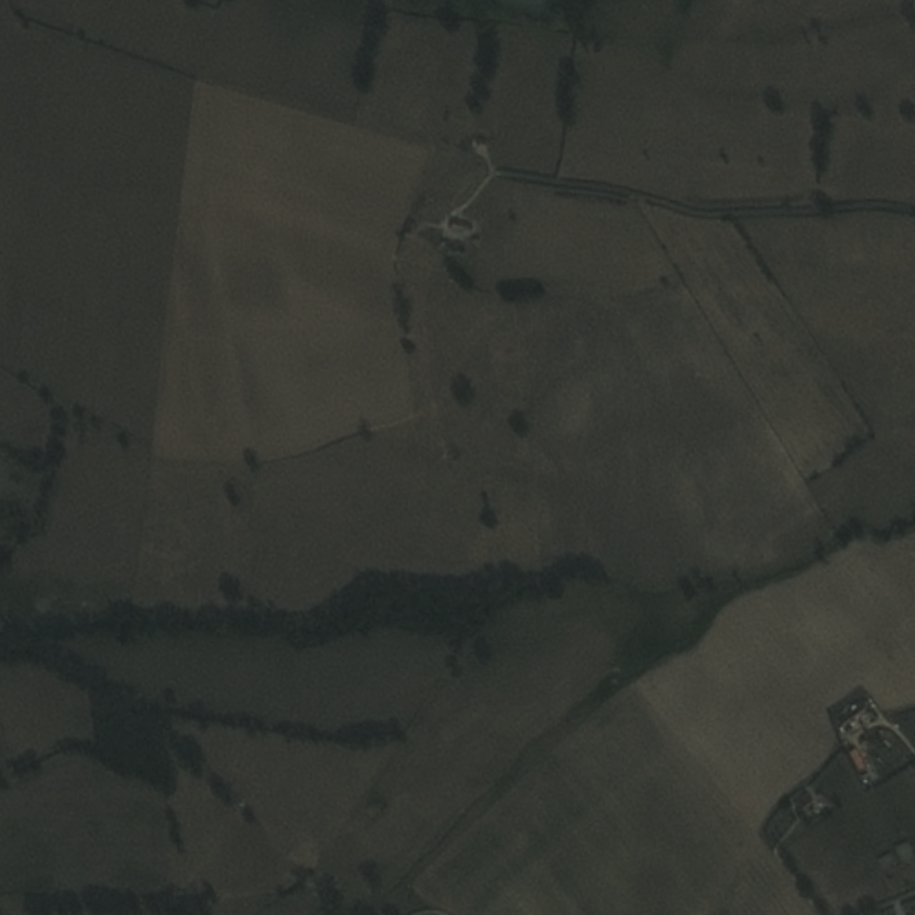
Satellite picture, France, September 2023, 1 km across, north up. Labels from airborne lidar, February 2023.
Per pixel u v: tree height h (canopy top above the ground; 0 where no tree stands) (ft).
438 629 49
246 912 0
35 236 0
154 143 0
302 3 0
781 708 0
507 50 0
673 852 0
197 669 0
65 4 0
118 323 0
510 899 0
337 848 0
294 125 0
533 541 0
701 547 0
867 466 0
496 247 0
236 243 0
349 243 0
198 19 0
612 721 0
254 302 0
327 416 0
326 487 0
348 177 0
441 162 0
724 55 0
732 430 0
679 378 0
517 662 0
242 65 0
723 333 0
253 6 0
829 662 0
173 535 0
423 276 0
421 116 0
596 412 0
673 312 0
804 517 0
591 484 0
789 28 0
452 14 63
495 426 0
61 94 0
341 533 0
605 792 0
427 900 0
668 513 0
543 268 0
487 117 0
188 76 0
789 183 0
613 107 0
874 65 0
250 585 0
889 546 0
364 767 0
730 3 0
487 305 0
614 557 0
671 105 0
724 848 0
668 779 0
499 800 0
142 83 0
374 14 62
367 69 63
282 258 0
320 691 0
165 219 0
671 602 0
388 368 0
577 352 0
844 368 0
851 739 0
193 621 56
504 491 0
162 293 0
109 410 0
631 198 0
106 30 0
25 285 0
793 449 0
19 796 0
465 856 0
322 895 57
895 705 0
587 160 0
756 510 0
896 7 0
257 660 0
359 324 0
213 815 0
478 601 55
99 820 0
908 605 0
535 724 0
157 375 0
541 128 0
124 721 50
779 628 0
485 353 0
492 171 0
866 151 0
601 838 0
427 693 0
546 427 0
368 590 73
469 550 0
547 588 56
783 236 0
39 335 0
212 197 0
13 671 0
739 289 0
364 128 0
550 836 0
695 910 0
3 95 0
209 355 0
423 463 0
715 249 0
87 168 0
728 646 0
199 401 0
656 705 0
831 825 0
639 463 0
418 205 0
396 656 0
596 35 44
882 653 0
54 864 0
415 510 0
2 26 0
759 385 0
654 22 0
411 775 0
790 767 0
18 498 0
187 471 0
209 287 0
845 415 0
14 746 0
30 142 0
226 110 0
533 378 0
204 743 0
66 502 0
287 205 0
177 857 0
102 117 0
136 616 55
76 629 22
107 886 0
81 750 41
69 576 0
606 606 0
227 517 0
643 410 0
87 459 0
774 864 0
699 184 0
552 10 51
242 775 0
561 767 0
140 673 0
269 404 0
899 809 0
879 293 0
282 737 37
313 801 0
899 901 0
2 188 0
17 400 0
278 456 0
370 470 0
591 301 0
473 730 0
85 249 0
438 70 0
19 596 0
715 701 0
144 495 0
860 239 0
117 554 0
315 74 0
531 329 0
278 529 0
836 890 0
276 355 0
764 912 0
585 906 0
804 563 0
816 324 0
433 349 0
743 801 0
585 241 0
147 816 0
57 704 0
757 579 0
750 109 0
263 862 0
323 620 66
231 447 0
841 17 0
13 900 0
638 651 0
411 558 0
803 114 0
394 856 0
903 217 0
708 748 0
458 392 63
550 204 0
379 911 0
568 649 0
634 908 0
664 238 0
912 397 0
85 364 0
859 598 0
